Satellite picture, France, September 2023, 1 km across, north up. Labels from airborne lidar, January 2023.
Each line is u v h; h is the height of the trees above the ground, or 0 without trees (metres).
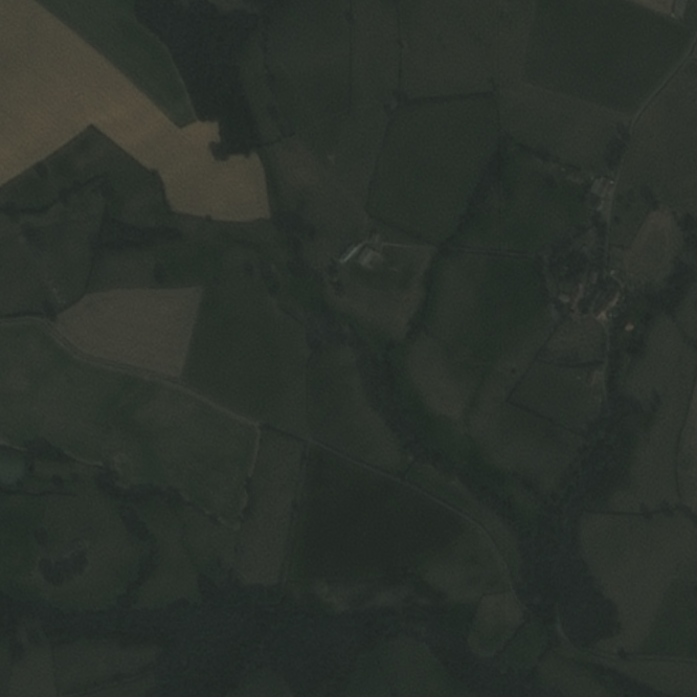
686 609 0
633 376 0
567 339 0
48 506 0
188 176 0
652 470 0
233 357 0
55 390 0
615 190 0
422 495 0
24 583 0
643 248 0
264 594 15
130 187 0
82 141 0
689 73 0
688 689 0
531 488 11
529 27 0
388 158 0
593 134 0
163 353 0
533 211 0
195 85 16
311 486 0
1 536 0
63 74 0
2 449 6
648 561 0
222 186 0
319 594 0
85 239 0
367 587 0
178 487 0
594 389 0
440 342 0
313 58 0
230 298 0
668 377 0
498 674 21
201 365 0
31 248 0
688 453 0
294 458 0
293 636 21
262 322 0
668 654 0
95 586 0
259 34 0
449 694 0
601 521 0
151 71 0
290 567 0
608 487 0
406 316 0
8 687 0
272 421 0
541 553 12
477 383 0
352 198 0
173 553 0
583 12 0
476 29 0
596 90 0
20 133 0
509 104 0
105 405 0
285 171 0
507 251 0
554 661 0
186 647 23
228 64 9
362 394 0
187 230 0
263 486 0
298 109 0
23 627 0
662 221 0
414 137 0
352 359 0
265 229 0
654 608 0
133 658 0
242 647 25
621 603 0
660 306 19
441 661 7
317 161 0
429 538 0
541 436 0
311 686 20
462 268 0
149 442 0
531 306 0
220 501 0
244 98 8
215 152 16
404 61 0
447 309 0
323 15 0
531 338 0
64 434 0
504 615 0
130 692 0
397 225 0
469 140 0
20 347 0
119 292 0
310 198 0
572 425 0
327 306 0
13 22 0
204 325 0
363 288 0
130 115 0
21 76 0
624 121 0
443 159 0
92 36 0
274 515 0
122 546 0
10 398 0
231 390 0
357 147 0
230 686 24
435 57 0
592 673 0
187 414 0
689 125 0
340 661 20
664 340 0
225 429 0
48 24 0
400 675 0
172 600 0
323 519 0
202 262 0
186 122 0
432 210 0
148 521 0
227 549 0
